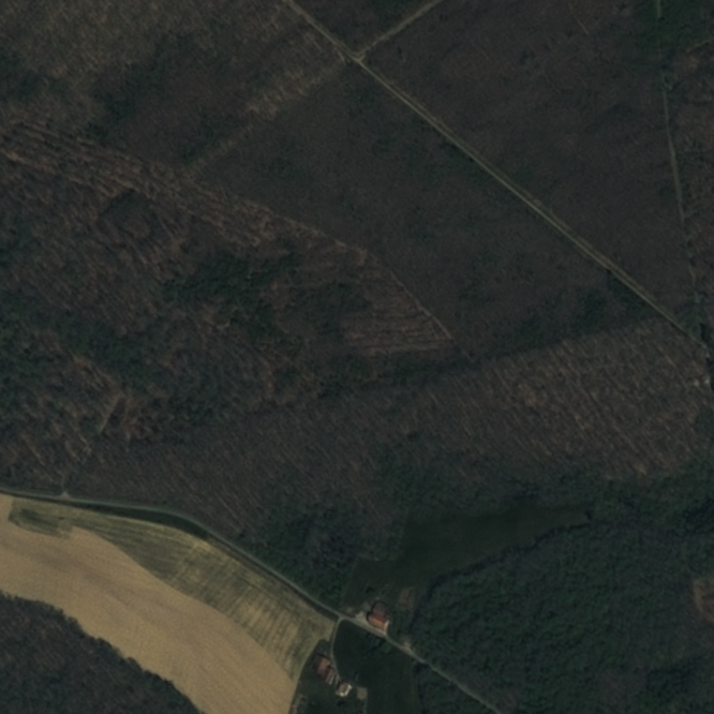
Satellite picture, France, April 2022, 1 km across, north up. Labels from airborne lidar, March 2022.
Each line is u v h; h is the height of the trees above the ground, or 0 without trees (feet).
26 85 47
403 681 0
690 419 89
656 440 87
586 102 35
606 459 93
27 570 0
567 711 86
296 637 0
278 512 90
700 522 77
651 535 86
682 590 84
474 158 0
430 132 38
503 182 0
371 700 0
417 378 46
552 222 0
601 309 53
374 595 38
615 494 43
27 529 0
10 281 65
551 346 55
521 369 94
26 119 0
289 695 0
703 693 85
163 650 0
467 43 51
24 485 71
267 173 56
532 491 90
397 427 82
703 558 88
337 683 0
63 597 0
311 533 39
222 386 81
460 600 74
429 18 19
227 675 0
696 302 41
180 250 0
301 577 81
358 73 45
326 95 50
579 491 92
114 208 29
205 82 52
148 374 89
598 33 31
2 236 68
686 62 46
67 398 94
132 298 90
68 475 88
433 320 51
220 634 0
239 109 50
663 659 89
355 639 0
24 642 73
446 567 0
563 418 84
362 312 41
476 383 86
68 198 89
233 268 44
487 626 98
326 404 75
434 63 32
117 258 78
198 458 94
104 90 52
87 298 84
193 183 0
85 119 0
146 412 29
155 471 94
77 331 84
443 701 83
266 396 78
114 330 71
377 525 97
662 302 46
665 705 54
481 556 0
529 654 82
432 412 68
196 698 0
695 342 79
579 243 0
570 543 80
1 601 83
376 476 89
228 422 77
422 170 38
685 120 0
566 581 90
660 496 64
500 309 48
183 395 84
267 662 0
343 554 27
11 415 83
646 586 86
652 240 0
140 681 91
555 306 47
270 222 0
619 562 74
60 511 0
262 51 50
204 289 22
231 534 66
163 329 79
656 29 45
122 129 58
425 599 0
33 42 72
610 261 39
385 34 35
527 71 80
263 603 0
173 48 60
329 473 94
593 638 86
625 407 83
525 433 96
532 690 85
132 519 0
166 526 0
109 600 0
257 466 63
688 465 83
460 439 100
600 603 85
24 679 78
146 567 0
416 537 0
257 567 0
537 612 90
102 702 95
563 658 83
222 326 0
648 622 74
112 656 92
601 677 83
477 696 62
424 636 85
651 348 85
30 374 83
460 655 88
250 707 0
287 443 79
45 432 97
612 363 89
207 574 0
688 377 89
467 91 38
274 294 38
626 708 93
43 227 89
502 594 31
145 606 0
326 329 35
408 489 88
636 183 34
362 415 85
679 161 23
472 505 92
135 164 43
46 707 89
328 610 0
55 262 93
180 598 0
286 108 0
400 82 46
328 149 52
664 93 38
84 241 95
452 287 49
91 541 0
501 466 92
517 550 0
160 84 57
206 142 52
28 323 73
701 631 90
